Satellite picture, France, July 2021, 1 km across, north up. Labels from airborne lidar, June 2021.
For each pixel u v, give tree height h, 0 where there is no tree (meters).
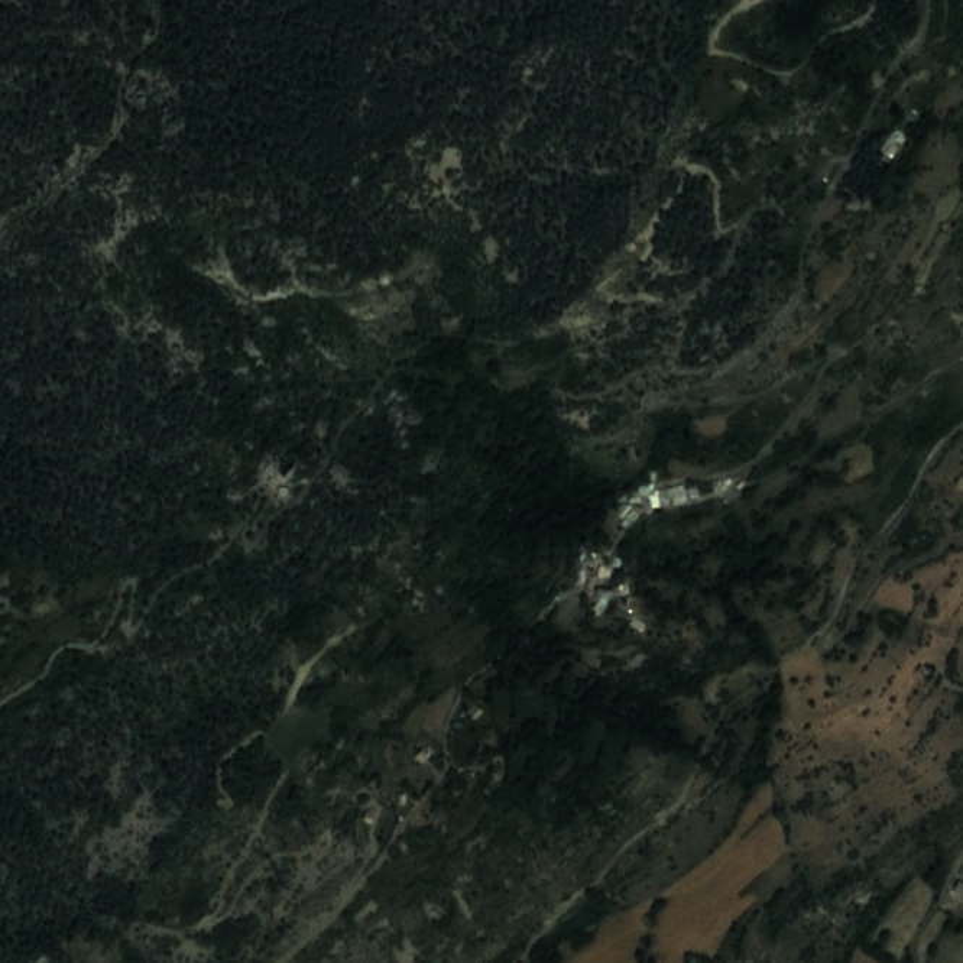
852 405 0
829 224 8
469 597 7
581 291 8
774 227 12
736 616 9
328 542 7
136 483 12
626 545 13
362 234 13
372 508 7
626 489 16
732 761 8
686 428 6
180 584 8
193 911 0
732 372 0
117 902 12
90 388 17
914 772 0
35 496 14
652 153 8
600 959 0
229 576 10
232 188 11
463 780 6
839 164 0
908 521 7
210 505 7
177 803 8
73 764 10
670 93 17
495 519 11
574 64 7
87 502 10
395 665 9
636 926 0
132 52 8
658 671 9
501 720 0
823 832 0
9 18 12
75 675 11
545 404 10
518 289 10
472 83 14
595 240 12
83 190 12
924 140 10
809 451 9
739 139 6
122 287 9
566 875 0
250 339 10
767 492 0
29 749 7
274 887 6
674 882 0
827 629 0
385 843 7
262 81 13
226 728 11
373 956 0
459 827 0
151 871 7
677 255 11
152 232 8
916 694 7
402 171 8
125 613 7
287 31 13
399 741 7
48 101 11
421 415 11
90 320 8
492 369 14
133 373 11
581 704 11
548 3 7
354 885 0
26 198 7
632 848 0
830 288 0
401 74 15
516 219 11
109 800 10
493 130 10
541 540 11
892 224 6
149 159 8
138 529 12
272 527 10
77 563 10
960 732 0
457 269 9
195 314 11
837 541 6
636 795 0
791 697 0
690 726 0
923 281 0
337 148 11
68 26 9
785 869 0
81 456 8
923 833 6
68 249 11
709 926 0
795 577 8
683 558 14
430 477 16
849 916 9
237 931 10
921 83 0
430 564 6
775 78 7
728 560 9
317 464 11
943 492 0
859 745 0
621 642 8
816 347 6
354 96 11
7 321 7
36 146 6
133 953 7
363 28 13
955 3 8
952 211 0
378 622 9
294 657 0
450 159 0
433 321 8
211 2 12
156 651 12
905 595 0
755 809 0
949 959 0
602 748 8
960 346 0
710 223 6
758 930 0
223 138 22
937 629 0
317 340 8
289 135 15
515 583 8
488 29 17
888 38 10
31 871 8
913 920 0
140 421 12
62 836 11
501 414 6
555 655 7
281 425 6
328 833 0
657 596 8
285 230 10
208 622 9
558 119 10
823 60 11
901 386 0
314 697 8
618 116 9
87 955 0
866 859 7
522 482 11
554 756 11
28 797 8
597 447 8
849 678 0
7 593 8
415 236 15
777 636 0
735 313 8
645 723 15
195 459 7
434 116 10
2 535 11
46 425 11
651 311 10
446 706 0
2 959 11
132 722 11
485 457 10
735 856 0
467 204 7
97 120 9
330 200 11
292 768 0
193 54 8
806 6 17
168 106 11
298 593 10
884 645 7
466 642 0
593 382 8
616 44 16
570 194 15
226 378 9
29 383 14
